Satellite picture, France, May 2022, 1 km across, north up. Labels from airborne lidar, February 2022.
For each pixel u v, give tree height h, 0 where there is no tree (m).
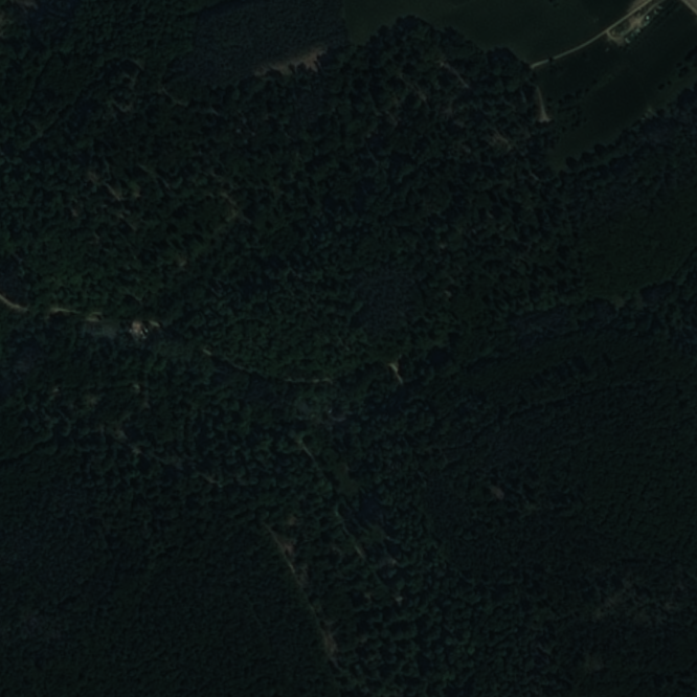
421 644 34
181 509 40
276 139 34
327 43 27
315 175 40
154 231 17
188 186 36
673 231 22
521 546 17
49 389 15
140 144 9
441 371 39
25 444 21
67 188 30
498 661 27
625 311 11
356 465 16
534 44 0
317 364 23
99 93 11
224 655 14
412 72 36
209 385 11
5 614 21
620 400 12
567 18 0
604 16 0
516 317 27
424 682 29
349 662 33
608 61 0
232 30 24
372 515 41
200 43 21
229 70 25
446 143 33
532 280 36
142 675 12
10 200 30
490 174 32
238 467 39
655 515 7
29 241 28
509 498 28
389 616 40
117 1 34
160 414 9
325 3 20
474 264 33
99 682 11
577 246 19
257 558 40
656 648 15
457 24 0
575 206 34
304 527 39
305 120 28
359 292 35
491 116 32
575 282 39
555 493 8
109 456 33
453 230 34
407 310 36
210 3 0
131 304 27
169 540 15
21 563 19
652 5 0
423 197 32
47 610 20
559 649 12
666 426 9
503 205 32
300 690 29
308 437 35
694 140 30
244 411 28
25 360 28
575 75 0
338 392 20
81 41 30
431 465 11
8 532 25
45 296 29
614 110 0
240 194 14
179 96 13
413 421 39
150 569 14
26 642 24
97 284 30
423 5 0
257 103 32
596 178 26
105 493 35
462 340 25
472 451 11
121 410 12
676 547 8
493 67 28
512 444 13
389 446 36
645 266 25
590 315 16
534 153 30
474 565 12
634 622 8
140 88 8
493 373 19
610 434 8
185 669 15
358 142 27
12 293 33
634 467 9
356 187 8
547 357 19
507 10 0
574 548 11
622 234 23
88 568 20
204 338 30
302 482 33
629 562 17
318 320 29
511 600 31
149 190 34
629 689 10
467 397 12
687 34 0
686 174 25
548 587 10
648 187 29
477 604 32
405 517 35
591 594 34
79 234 27
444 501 15
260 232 11
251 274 7
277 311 22
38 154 8
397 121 18
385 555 37
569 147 0
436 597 38
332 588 19
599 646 10
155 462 15
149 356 24
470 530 12
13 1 33
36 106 10
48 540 24
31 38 13
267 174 23
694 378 17
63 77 11
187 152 7
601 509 9
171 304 31
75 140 28
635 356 17
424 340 18
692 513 7
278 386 26
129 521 22
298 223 7
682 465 8
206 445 40
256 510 33
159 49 29
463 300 18
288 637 13
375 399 19
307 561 15
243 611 13
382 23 0
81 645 20
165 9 32
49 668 12
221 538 15
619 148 13
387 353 22
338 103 41
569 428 18
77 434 17
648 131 28
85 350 23
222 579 15
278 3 22
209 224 13
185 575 14
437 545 32
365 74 19
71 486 25
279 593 18
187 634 13
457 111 10
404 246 31
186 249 35
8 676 22
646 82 0
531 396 10
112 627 13
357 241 31
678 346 19
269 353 23
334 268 28
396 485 33
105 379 14
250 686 9
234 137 31
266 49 23
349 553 20
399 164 34
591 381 9
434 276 28
